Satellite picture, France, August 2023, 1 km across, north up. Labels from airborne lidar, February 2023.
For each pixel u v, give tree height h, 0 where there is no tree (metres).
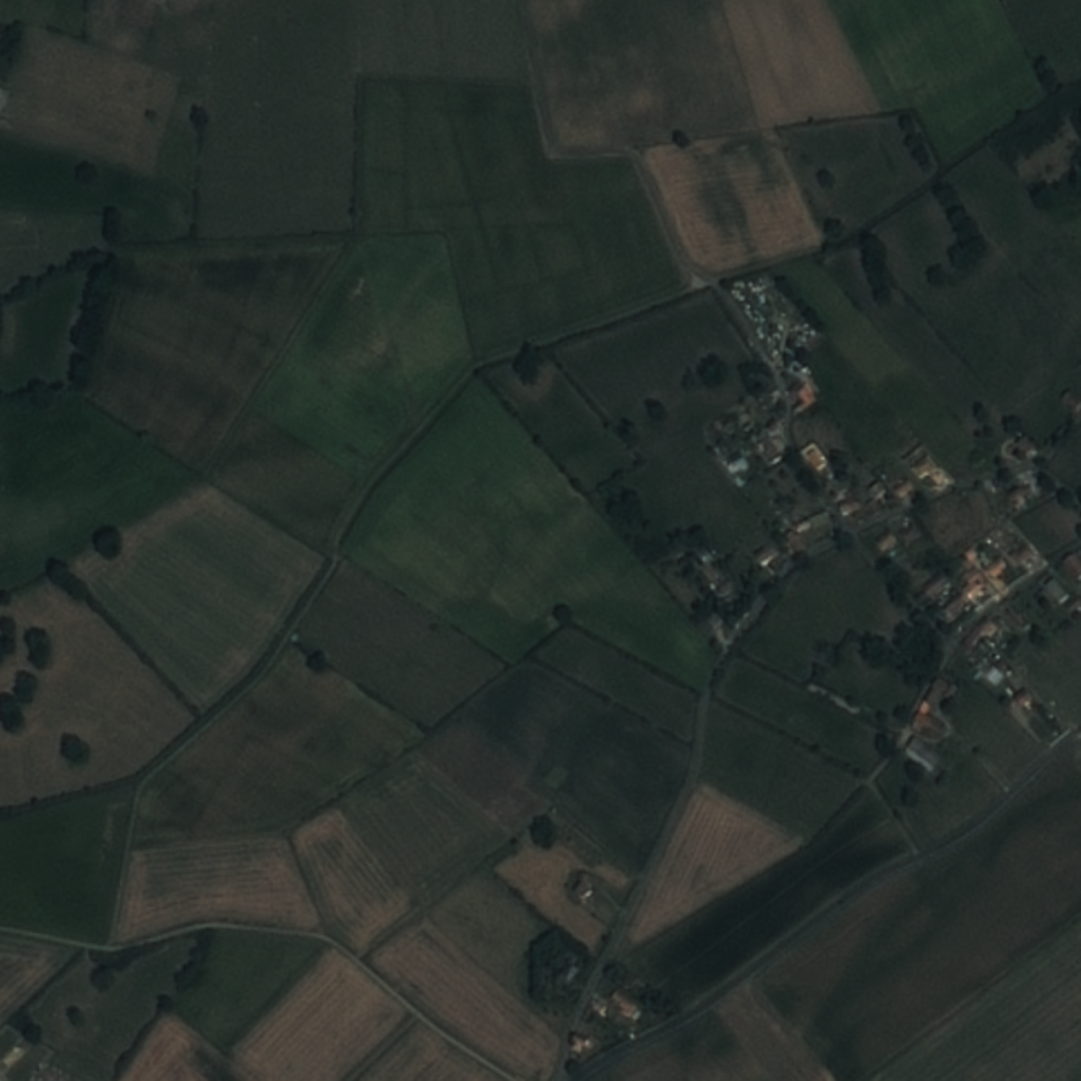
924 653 25
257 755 0
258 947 0
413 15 0
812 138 0
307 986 0
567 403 0
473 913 0
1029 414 0
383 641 0
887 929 0
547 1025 0
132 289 0
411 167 0
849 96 0
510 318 0
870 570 0
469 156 0
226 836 0
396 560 0
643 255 0
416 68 0
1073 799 0
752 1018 0
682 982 0
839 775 0
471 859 0
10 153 0
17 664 0
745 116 0
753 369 7
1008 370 0
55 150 0
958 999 0
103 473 0
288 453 0
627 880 0
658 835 0
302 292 0
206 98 0
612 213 0
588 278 0
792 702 0
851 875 0
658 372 0
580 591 0
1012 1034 0
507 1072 0
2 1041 0
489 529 0
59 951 0
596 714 0
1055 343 0
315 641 0
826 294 0
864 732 0
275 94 0
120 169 0
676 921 0
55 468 0
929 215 0
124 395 0
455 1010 0
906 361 0
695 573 15
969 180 0
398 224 0
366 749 0
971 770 0
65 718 0
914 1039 0
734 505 0
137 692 0
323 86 0
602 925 0
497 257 0
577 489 8
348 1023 0
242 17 0
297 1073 0
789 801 0
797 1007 0
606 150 0
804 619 0
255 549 0
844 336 0
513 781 0
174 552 0
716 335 0
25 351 0
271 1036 0
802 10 0
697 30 0
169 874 0
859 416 0
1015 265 0
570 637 0
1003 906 0
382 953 0
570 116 0
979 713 0
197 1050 17
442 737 0
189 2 0
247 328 0
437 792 0
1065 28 0
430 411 0
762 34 0
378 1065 0
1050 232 0
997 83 0
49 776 0
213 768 0
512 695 0
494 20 0
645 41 0
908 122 12
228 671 0
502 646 0
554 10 0
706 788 0
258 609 0
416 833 0
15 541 0
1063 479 0
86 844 0
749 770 0
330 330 0
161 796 0
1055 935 0
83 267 15
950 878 0
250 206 0
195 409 0
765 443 0
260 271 0
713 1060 0
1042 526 0
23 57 0
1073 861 0
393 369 0
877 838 0
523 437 0
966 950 0
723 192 0
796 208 0
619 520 11
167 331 0
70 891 0
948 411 0
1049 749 0
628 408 0
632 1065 0
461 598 0
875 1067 0
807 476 14
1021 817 0
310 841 0
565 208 0
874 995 0
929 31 0
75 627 0
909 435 0
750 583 10
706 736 0
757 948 0
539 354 15
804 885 0
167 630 0
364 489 0
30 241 0
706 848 0
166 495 0
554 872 0
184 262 0
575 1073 11
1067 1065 0
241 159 0
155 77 0
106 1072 0
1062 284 0
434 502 0
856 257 0
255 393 0
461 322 0
